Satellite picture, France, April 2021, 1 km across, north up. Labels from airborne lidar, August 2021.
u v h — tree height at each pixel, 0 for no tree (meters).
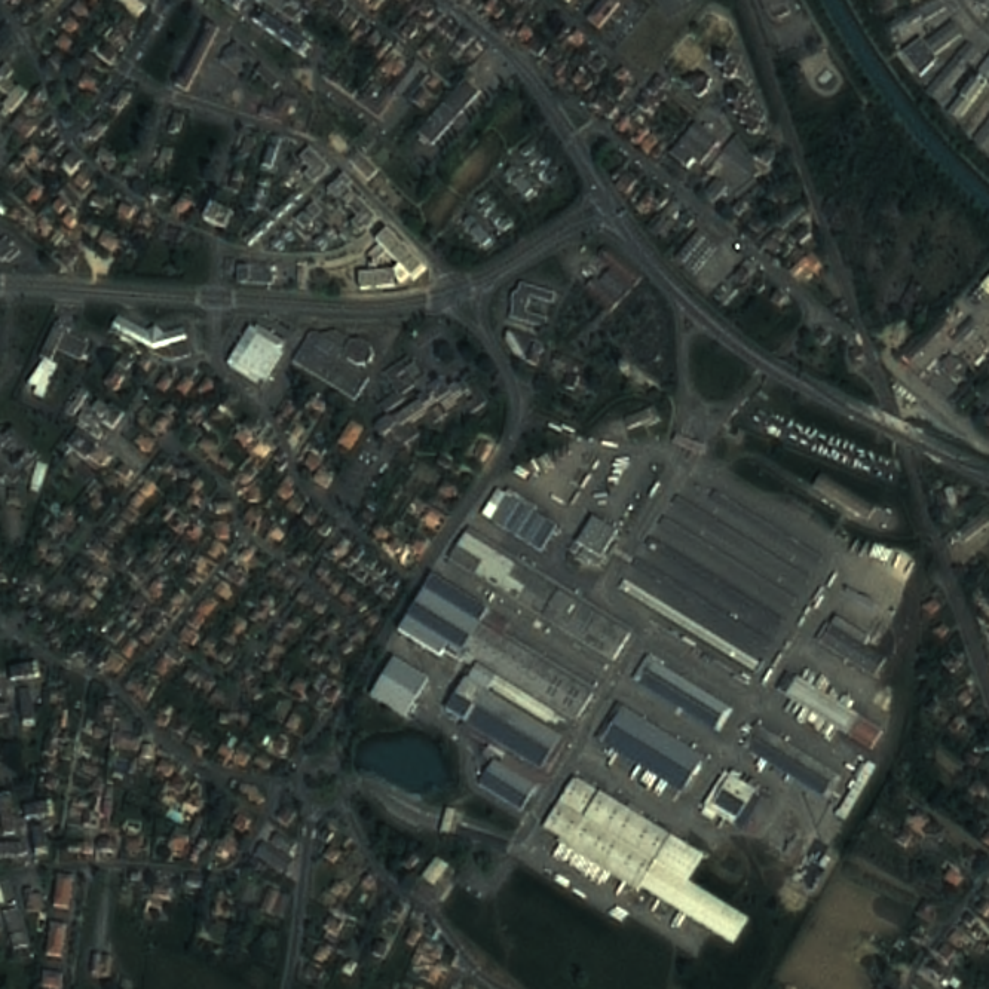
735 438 0
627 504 0
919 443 0
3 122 0
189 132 0
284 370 0
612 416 0
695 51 0
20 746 12
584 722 0
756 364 0
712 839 0
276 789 0
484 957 0
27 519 11
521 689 0
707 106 0
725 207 12
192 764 0
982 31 0
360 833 0
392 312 0
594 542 0
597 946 0
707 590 0
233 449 0
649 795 0
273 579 9
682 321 0
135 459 0
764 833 0
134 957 0
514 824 0
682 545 0
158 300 0
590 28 0
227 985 0
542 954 0
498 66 0
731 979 0
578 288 9
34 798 10
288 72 6
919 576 0
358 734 13
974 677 0
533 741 0
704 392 0
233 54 0
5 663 0
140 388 6
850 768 0
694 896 0
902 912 0
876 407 0
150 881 11
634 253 0
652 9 0
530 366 6
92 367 8
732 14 0
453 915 0
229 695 10
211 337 0
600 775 0
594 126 0
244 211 8
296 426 0
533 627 0
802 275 0
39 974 7
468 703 0
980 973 7
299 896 0
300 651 10
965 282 6
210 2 0
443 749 8
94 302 0
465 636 0
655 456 0
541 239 0
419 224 16
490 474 0
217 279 0
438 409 0
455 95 0
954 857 0
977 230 5
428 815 0
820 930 0
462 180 0
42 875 11
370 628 8
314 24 7
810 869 0
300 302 0
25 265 0
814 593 0
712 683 0
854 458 0
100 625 13
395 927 0
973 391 10
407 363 0
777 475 0
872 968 0
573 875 0
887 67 0
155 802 7
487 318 0
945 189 9
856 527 0
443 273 0
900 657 0
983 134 0
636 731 0
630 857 0
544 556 0
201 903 15
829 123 0
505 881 0
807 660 0
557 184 12
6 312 9
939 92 0
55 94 13
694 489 0
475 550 0
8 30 19
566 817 0
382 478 8
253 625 11
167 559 7
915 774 7
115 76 0
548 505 0
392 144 0
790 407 0
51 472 9
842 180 12
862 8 8
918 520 0
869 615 0
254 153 7
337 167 0
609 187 0
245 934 18
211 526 6
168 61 0
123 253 6
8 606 6
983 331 0
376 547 6
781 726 0
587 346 11
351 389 0
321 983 13
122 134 0
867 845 6
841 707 0
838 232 7
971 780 7
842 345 8
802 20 0
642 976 0
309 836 0
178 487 8
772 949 0
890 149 10
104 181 13
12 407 0
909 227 0
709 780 0
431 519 0
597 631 0
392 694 0
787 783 0
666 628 0
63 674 6
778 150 7
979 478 0
